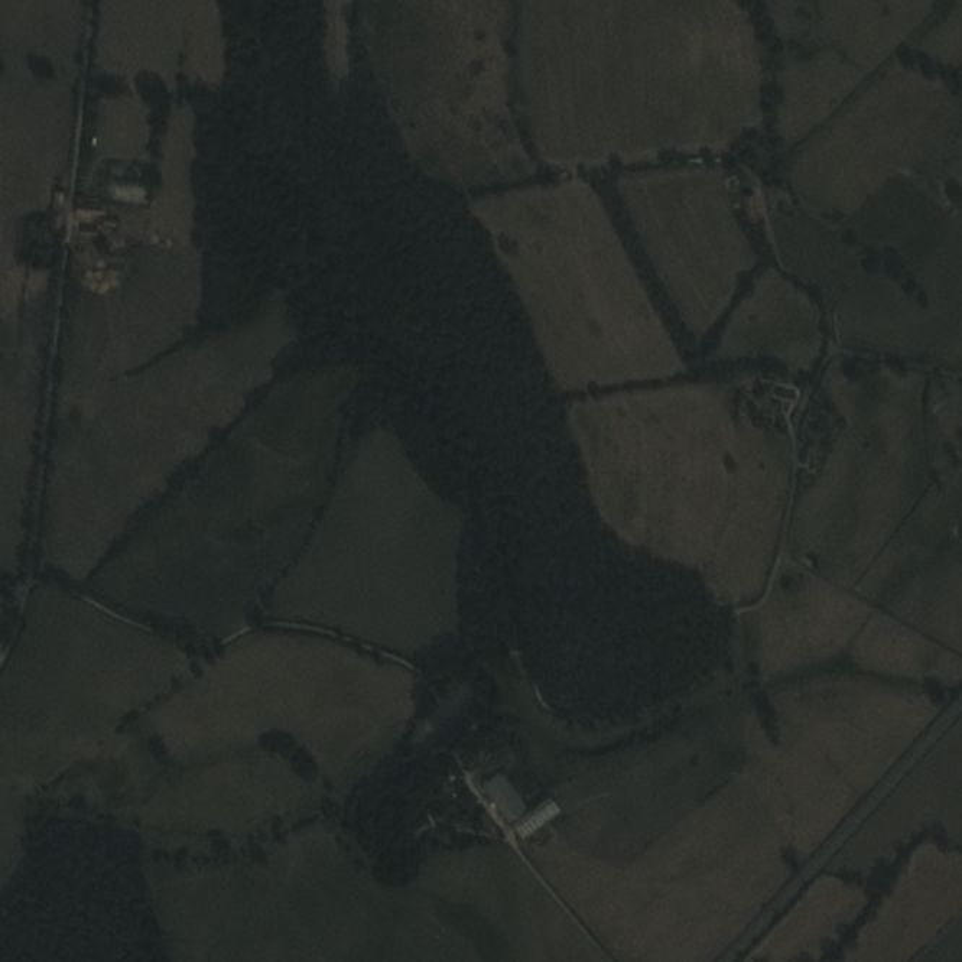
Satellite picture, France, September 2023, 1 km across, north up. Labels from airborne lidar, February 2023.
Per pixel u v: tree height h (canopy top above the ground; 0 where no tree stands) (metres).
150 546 0
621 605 17
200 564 0
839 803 0
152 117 9
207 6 0
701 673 18
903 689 0
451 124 0
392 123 14
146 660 0
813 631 0
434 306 9
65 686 0
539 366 7
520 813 0
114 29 0
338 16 0
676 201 0
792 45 0
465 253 6
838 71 0
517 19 0
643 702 14
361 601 0
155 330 0
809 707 0
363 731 0
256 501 0
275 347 0
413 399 20
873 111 0
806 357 0
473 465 5
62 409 0
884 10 0
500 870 0
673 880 0
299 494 0
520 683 0
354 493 0
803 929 0
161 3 0
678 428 0
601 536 22
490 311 11
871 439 0
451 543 0
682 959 0
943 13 0
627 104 0
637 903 0
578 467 17
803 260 0
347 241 22
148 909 8
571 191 0
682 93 0
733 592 0
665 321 8
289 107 18
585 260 0
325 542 0
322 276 7
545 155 0
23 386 0
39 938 17
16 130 0
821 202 0
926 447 0
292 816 0
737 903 0
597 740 0
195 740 0
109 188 0
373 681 0
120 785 0
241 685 0
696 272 0
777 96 14
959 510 0
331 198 19
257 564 0
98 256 0
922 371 0
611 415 0
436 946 0
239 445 0
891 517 0
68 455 0
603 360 0
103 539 0
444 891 0
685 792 0
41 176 0
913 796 0
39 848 23
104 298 0
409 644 0
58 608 0
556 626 14
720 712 0
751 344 0
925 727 0
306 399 0
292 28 21
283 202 5
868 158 0
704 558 0
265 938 0
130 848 28
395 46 0
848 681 0
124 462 0
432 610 0
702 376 15
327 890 0
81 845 20
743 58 0
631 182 0
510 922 0
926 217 0
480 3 0
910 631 0
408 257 9
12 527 0
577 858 0
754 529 0
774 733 18
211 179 25
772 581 0
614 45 0
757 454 0
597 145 0
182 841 0
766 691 0
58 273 7
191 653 15
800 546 0
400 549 0
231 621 0
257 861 13
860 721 0
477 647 30
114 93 10
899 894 0
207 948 0
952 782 0
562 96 0
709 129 0
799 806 0
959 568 0
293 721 0
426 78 0
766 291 0
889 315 0
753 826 0
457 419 15
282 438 0
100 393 0
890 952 0
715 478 0
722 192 0
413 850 20
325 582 0
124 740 0
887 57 0
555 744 0
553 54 0
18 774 0
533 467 21
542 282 0
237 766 0
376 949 0
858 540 0
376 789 17
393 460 0
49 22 0
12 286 0
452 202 15
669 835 0
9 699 0
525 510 20
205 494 0
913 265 0
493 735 6
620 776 0
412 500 0
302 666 0
